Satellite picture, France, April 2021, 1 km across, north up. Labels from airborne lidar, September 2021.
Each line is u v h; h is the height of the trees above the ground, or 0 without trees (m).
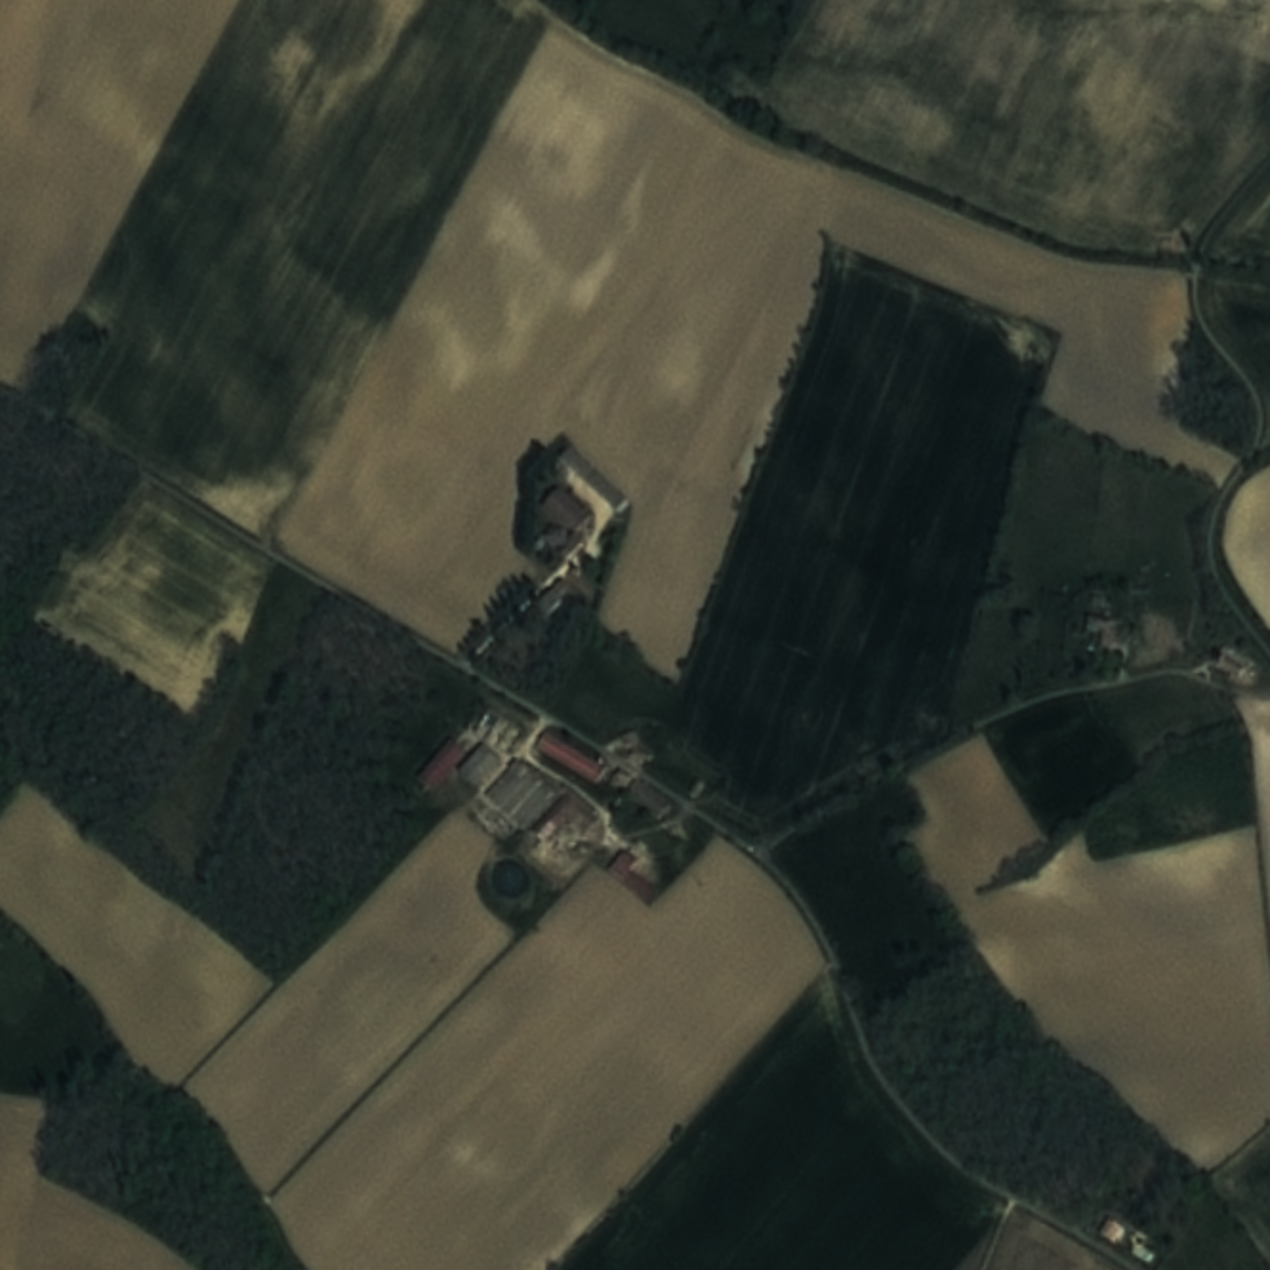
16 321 0
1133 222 0
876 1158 0
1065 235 0
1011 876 16
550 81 0
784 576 0
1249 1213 0
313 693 16
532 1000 0
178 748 15
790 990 0
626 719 0
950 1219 0
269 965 15
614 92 0
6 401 18
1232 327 0
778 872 0
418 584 0
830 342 0
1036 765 0
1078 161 0
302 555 0
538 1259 0
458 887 0
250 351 0
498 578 0
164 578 0
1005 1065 24
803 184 0
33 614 11
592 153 0
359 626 18
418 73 0
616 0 0
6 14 0
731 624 0
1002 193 0
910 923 0
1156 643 0
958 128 0
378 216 0
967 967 20
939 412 0
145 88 0
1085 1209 16
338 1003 0
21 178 0
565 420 0
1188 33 0
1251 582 0
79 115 0
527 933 0
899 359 0
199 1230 20
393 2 0
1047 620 0
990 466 0
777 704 0
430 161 0
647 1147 0
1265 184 0
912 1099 14
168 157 0
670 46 0
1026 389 0
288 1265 17
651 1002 0
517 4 0
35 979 0
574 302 0
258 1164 0
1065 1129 21
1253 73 0
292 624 0
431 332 0
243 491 0
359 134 0
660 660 0
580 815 0
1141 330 0
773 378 0
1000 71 0
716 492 0
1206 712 0
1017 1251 0
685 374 0
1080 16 0
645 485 0
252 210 0
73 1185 8
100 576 0
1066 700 0
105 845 20
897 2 0
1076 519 0
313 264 0
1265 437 0
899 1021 20
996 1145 19
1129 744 0
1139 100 0
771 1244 0
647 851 0
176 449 0
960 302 0
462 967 0
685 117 0
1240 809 6
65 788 17
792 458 0
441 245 0
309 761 18
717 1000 0
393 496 0
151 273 0
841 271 0
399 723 10
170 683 0
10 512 21
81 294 0
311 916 17
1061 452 0
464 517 0
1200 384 21
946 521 0
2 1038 0
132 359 0
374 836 16
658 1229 0
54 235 0
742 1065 0
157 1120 25
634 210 0
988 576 9
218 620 0
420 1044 0
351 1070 0
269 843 17
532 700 12
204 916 16
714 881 0
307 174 0
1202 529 17
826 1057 0
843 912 0
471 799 0
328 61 0
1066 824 9
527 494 16
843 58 0
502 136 0
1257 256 0
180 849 0
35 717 15
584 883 0
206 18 0
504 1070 0
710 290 0
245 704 0
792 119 0
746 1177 0
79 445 18
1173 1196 24
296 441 0
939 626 0
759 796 0
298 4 0
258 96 0
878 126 0
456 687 0
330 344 0
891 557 0
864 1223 0
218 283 0
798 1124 0
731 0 22
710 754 0
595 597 6
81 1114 22
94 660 17
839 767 0
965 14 0
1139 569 0
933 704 0
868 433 0
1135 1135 22
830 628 0
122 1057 20
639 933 0
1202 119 0
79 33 0
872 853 0
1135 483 0
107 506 16
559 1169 0
